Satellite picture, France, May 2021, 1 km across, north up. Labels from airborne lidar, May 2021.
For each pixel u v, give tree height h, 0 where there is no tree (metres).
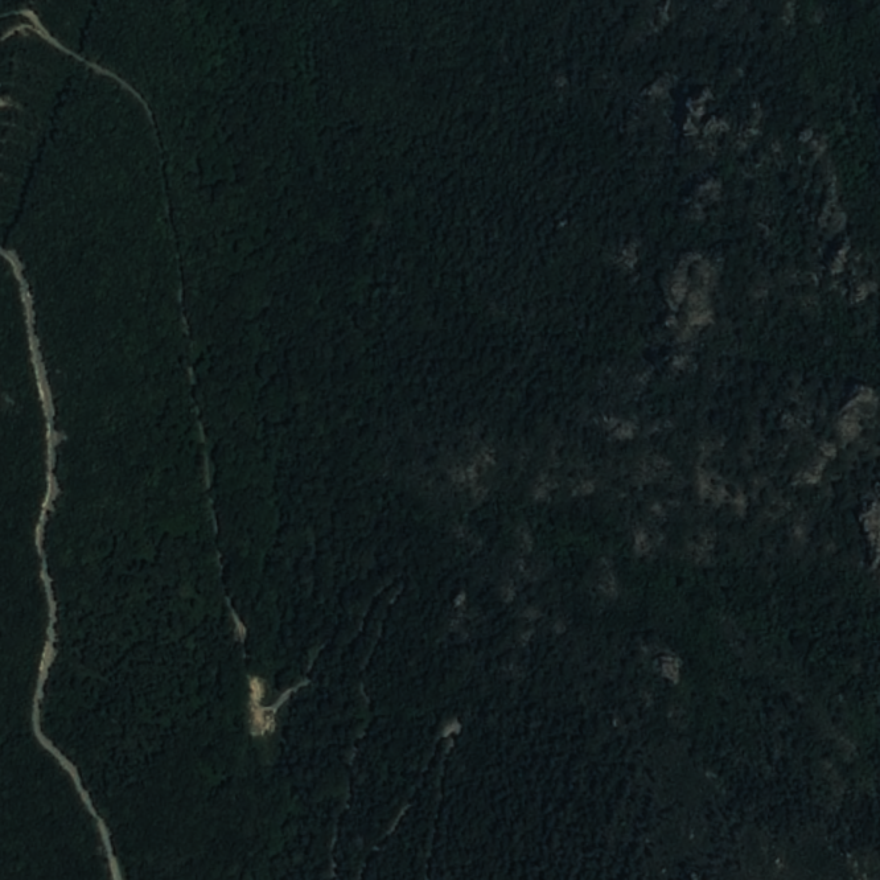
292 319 15
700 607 13
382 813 20
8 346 9
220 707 26
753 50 11
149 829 17
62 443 10
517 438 7
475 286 11
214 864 18
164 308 18
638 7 9
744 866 13
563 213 9
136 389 13
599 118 10
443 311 12
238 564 23
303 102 17
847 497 10
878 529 0
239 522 17
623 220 10
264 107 13
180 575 15
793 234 9
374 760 9
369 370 17
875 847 19
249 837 16
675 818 18
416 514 17
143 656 18
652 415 6
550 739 7
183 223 15
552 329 14
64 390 10
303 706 16
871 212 10
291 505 10
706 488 0
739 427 8
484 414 6
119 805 17
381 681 11
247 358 23
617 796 9
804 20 13
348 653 16
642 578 13
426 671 10
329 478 9
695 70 7
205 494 10
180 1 19
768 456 9
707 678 8
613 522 9
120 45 10
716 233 12
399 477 7
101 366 11
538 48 12
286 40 17
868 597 7
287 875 7
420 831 13
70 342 9
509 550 10
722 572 9
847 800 7
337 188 15
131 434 19
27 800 14
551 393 10
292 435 15
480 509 11
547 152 11
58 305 12
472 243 13
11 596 16
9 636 18
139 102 6
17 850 11
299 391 17
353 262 17
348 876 16
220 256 23
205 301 20
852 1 14
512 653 8
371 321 22
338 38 14
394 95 17
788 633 13
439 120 16
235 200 17
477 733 11
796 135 9
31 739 15
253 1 14
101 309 14
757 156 15
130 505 20
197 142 21
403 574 9
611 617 10
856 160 14
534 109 10
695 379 6
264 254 22
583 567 7
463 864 15
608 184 10
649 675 6
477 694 9
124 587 6
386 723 10
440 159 13
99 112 13
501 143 12
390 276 13
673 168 7
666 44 7
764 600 8
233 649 10
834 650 14
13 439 11
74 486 10
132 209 11
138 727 13
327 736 18
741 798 13
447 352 12
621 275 7
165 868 20
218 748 19
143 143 12
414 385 13
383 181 20
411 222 15
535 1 6
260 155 13
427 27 14
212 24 17
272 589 20
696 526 6
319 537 14
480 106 15
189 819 18
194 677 16
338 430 9
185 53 9
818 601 13
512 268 12
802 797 16
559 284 7
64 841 14
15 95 12
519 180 9
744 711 7
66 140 12
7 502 10
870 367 10
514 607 6
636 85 6
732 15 11
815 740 7
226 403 17
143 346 15
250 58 14
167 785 19
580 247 11
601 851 15
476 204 14
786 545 7
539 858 7
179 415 18
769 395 6
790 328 9
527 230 12
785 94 13
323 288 14
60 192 13
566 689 6
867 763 8
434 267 11
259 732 0
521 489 10
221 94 13
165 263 12
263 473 25
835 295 8
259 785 17
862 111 7
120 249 14
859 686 10
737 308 11
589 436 7
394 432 6
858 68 11
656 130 10
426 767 10
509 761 11
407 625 10
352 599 20
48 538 10
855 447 9
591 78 15
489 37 10
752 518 11
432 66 18
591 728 14
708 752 10
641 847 15
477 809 11
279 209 17
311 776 17
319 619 23
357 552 18
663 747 7
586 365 17
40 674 12
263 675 11
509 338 16
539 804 13
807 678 9
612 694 7
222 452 18
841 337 11
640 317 11
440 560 8
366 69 16
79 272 13
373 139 15
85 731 15
